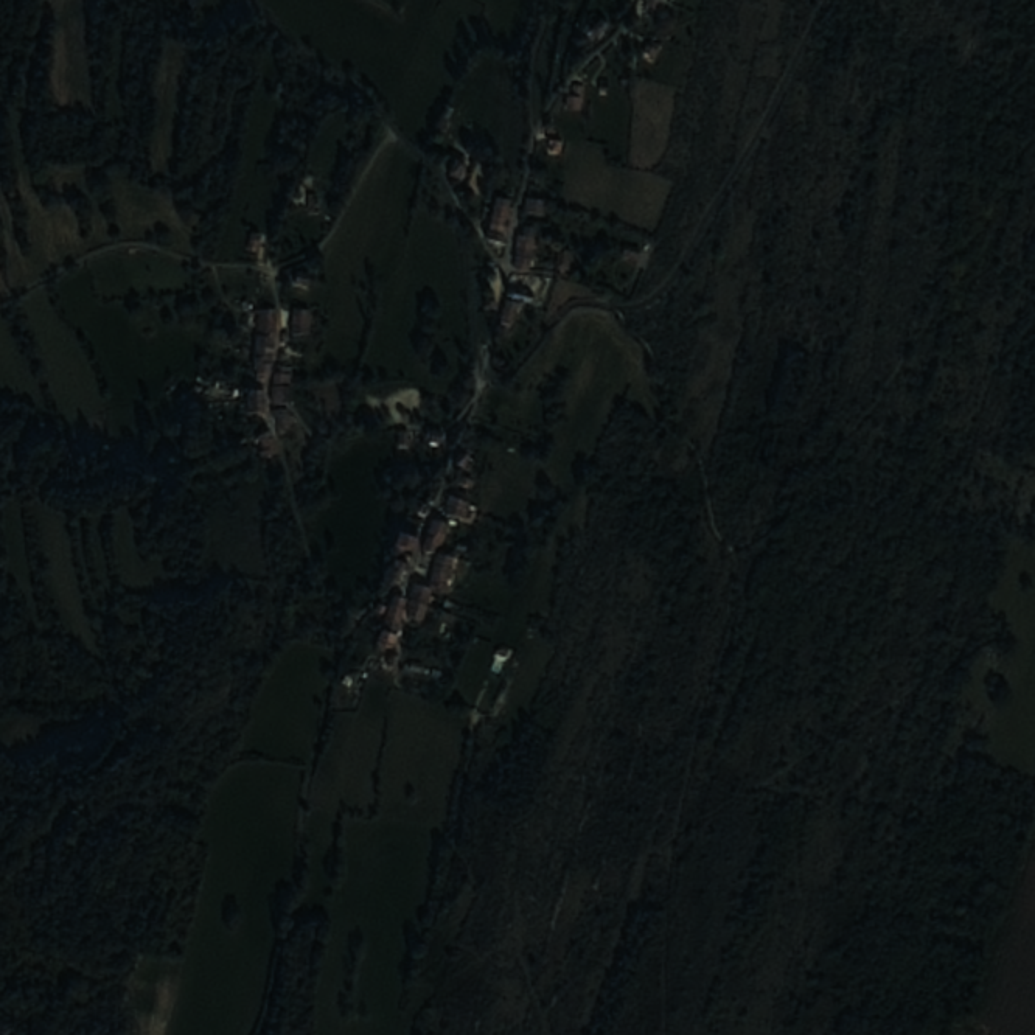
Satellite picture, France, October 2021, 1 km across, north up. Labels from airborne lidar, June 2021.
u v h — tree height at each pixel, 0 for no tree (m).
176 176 11
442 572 0
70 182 0
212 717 6
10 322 9
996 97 15
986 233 16
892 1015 11
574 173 0
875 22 8
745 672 9
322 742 8
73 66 0
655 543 18
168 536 10
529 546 18
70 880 15
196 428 18
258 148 0
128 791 6
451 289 0
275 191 0
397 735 0
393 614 0
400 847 0
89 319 0
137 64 6
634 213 0
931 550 12
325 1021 0
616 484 8
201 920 0
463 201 10
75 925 18
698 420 0
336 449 12
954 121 12
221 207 12
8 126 14
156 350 0
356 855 0
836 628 15
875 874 6
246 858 0
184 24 10
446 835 7
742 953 10
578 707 0
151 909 15
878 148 9
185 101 13
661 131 0
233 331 19
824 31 13
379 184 0
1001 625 10
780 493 7
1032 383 16
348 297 0
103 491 18
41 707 9
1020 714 0
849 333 7
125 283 0
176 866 10
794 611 11
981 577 16
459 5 0
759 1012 0
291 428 8
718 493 7
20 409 8
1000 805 15
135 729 12
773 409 17
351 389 13
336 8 0
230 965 0
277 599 6
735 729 12
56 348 0
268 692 0
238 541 0
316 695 0
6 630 14
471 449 9
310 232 0
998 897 20
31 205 0
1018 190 7
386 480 9
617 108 0
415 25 0
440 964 0
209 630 14
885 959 13
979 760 15
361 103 10
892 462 10
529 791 13
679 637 9
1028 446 15
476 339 0
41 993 10
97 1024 9
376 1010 0
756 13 0
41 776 13
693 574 11
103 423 0
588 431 0
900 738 8
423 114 0
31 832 7
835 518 16
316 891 0
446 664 9
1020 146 9
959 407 7
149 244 8
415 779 0
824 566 11
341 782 0
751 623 10
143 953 14
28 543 6
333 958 0
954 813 14
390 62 0
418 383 0
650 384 9
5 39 11
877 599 11
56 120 15
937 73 13
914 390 10
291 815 0
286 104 9
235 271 0
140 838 10
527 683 0
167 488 21
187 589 8
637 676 10
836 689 11
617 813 6
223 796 0
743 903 9
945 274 8
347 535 0
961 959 18
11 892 7
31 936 11
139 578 0
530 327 10
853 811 11
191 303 13
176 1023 0
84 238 7
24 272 0
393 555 8
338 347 0
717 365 0
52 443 15
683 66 0
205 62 13
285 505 9
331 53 0
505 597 0
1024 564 0
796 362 15
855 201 9
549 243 14
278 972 11
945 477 10
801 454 8
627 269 0
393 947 0
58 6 0
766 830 7
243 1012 0
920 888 8
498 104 0
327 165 0
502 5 0
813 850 0
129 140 9
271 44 10
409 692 14
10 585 8
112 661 12
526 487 0
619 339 0
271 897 0
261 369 0
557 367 0
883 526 15
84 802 15
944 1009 10
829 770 8
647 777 6
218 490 0
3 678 15
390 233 0
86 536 11
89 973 11
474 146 11
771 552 10
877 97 6
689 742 5
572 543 8
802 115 0
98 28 12
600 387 0
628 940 10
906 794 6
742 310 9
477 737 7
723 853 6
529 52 11
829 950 7
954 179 10
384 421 9
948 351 16
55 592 0
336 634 10
